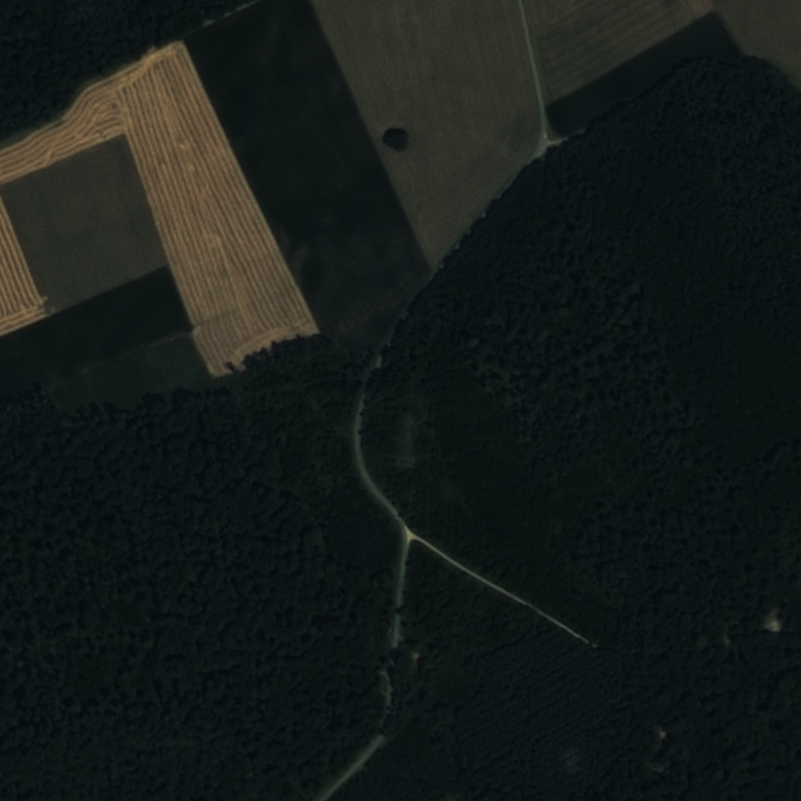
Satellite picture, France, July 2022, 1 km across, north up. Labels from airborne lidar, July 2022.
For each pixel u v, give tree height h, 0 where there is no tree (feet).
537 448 22
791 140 74
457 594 21
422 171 0
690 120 77
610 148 65
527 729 57
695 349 47
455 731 47
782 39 0
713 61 58
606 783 59
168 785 76
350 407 28
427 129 0
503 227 38
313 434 26
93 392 0
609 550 68
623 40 0
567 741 59
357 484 31
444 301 55
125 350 0
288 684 69
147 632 24
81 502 83
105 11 88
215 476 91
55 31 75
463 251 31
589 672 67
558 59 0
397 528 0
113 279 0
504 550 25
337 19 0
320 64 0
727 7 0
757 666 77
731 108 79
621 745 54
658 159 53
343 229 0
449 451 24
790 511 57
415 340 48
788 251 72
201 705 93
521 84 0
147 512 98
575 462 56
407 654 42
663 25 0
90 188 0
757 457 46
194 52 0
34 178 0
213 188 0
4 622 95
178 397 0
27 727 84
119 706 88
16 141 0
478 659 35
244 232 0
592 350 103
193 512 85
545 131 0
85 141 0
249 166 0
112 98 0
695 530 67
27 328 0
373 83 0
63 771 53
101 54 62
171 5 98
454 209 0
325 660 77
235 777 85
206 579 95
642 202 52
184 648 92
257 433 44
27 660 81
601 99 0
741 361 35
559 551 26
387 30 0
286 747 81
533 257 35
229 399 86
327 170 0
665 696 87
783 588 33
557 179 46
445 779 23
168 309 0
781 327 44
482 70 0
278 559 83
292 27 0
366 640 70
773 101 83
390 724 55
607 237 42
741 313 64
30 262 0
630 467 23
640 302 87
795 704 99
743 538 86
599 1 0
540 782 57
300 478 31
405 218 0
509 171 0
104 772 62
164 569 89
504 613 24
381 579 41
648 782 80
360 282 0
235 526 77
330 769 18
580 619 19
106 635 27
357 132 0
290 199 0
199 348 0
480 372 78
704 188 76
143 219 0
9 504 87
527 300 55
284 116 0
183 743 70
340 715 67
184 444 88
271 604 108
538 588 30
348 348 0
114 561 22
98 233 0
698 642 82
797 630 42
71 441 101
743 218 83
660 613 65
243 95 0
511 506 30
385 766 20
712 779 81
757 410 29
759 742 101
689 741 73
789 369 29
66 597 19
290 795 91
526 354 98
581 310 47
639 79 0
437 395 28
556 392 72
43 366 0
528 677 44
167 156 0
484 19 0
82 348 0
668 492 38
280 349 69
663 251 60
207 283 0
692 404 48
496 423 17
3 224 0
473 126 0
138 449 93
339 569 56
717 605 69
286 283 0
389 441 28
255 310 0
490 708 50
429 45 0
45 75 66
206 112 0
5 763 83
